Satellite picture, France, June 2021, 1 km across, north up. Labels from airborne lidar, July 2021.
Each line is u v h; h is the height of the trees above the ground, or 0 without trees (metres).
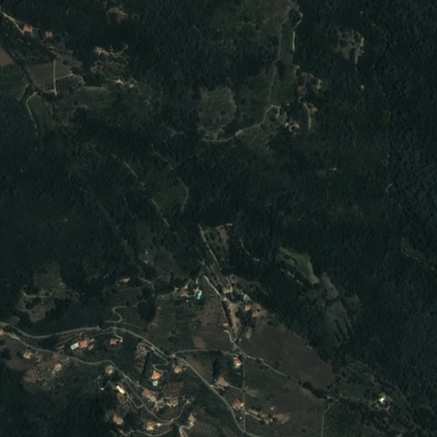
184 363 0
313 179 16
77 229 7
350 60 12
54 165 11
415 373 19
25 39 10
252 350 0
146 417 0
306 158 15
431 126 15
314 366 0
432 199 26
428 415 14
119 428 10
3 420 12
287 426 0
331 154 7
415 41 14
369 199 11
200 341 0
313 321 15
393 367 13
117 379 9
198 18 7
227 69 9
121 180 12
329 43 7
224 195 24
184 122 10
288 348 0
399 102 14
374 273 22
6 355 12
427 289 10
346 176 7
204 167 15
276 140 14
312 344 11
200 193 14
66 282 9
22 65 9
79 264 9
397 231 8
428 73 12
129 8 9
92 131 15
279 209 13
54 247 18
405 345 18
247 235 17
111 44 8
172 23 12
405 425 12
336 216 10
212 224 18
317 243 15
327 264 13
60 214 6
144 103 8
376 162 12
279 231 21
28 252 10
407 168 21
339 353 12
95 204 17
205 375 0
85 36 11
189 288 10
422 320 22
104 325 21
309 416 0
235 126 14
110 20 7
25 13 13
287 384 0
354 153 10
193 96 13
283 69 14
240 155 6
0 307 12
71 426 18
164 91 9
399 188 16
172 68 12
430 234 22
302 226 14
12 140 7
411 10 21
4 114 13
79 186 9
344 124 7
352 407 11
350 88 19
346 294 8
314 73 9
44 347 11
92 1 8
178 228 11
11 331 14
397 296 18
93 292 15
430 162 15
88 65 11
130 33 14
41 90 8
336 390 7
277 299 11
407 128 11
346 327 8
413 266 20
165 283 10
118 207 14
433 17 15
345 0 16
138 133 13
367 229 17
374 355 10
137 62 10
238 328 0
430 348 17
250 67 15
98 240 16
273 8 0
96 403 11
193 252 12
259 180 11
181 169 14
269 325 9
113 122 8
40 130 14
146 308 9
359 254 19
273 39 10
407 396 8
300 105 12
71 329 6
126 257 10
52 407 11
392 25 12
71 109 7
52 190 12
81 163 11
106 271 12
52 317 11
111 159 11
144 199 13
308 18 14
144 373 13
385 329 9
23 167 7
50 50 7
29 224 6
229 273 11
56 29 14
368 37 17
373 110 11
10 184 11
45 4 11
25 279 7
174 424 8
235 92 9
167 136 17
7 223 9
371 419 13
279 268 10
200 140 12
